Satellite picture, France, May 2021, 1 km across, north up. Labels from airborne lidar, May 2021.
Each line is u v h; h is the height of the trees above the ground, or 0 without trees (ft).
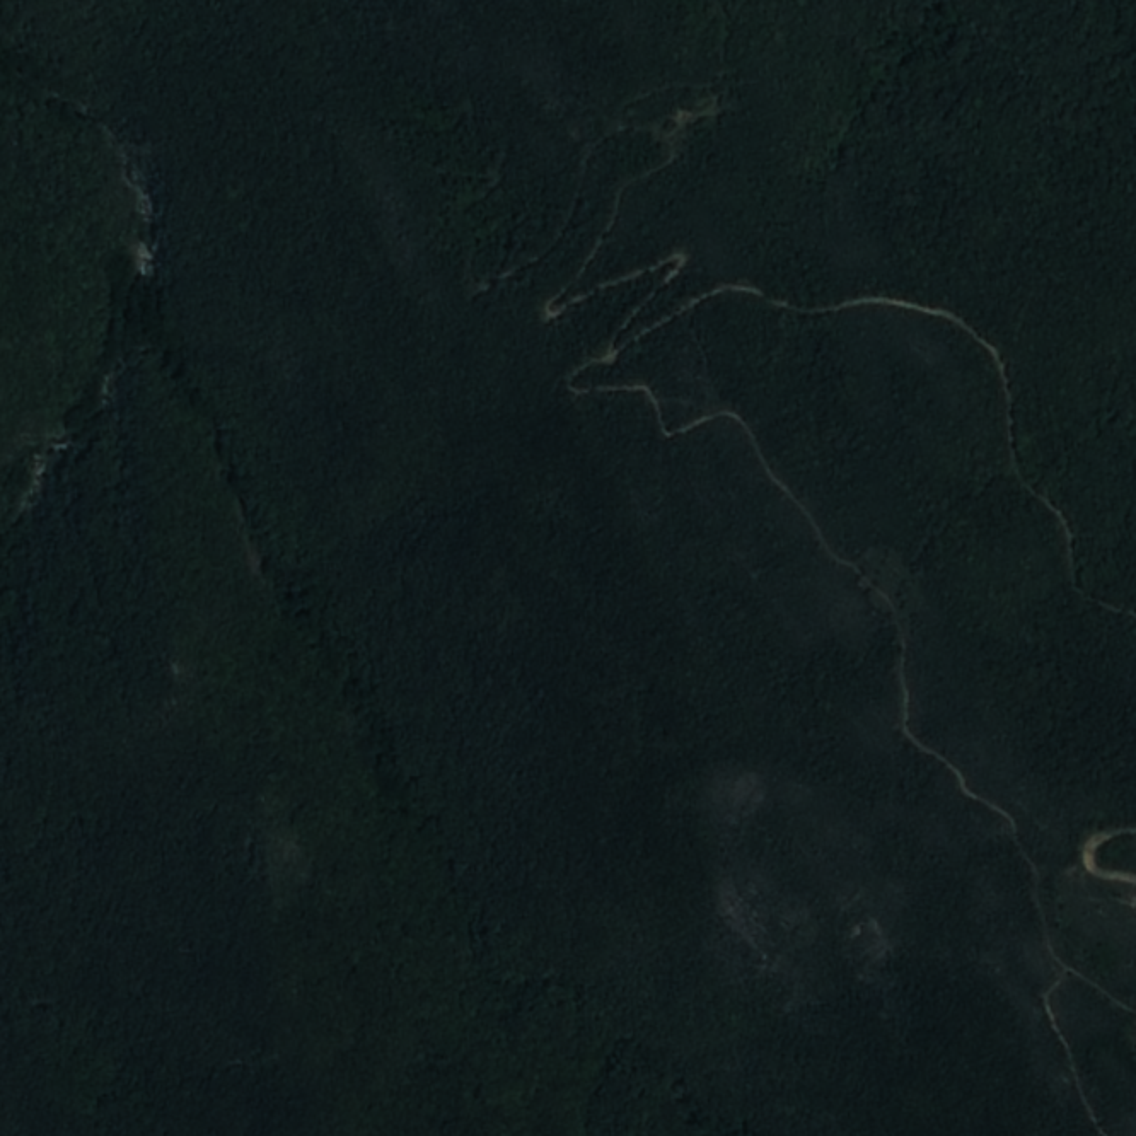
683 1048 29
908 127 30
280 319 29
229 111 42
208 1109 44
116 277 49
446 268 30
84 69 23
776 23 26
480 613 32
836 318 19
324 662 69
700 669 21
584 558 34
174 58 40
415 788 55
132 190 31
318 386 33
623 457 27
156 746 31
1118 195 41
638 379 28
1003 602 24
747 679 18
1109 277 26
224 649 44
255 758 42
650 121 22
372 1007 43
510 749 31
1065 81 27
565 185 24
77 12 40
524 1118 39
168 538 33
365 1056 41
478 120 30
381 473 31
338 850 48
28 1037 44
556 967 38
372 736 52
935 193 32
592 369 19
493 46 23
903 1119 26
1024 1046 17
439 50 22
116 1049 38
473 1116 46
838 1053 31
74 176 28
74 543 50
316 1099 30
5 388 18
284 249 31
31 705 28
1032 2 23
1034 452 52
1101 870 0
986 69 31
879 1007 25
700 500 20
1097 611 38
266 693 60
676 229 19
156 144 25
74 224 30
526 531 45
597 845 29
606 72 20
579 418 31
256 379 44
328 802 44
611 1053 46
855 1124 30
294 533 39
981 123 29
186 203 30
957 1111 29
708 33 28
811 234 22
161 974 31
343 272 31
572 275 37
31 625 31
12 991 59
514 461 26
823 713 27
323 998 47
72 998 39
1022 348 27
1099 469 24
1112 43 24
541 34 26
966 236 35
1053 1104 26
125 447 25
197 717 46
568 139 19
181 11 37
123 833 48
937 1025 31
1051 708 40
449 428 31
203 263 42
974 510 49
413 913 31
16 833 47
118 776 31
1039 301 29
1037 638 33
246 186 31
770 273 21
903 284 26
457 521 29
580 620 46
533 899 36
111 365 50
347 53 24
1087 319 28
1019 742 22
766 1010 36
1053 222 32
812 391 26
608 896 22
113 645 25
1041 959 0
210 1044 29
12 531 28
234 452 48
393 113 33
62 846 42
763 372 26
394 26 31
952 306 19
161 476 36
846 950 19
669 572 19
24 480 34
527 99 26
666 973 32
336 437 32
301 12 34
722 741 27
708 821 17
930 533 30
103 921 37
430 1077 49
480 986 49
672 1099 60
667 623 40
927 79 38
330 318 31
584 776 31
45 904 32
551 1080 38
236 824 25
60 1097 49
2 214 51
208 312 30
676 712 46
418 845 52
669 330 27
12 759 38
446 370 20
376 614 40
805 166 39
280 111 25
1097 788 21
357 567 48
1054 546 40
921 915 22
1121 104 47
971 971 26
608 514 37
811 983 20
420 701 45
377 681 50
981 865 23
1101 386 35
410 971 36
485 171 25
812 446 22
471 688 30
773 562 21
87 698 33
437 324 19
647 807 44
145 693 30
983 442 19
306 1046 21
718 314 30
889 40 35
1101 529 20
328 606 47
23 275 58
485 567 37
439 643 41
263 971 37
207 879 43
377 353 23
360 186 23
